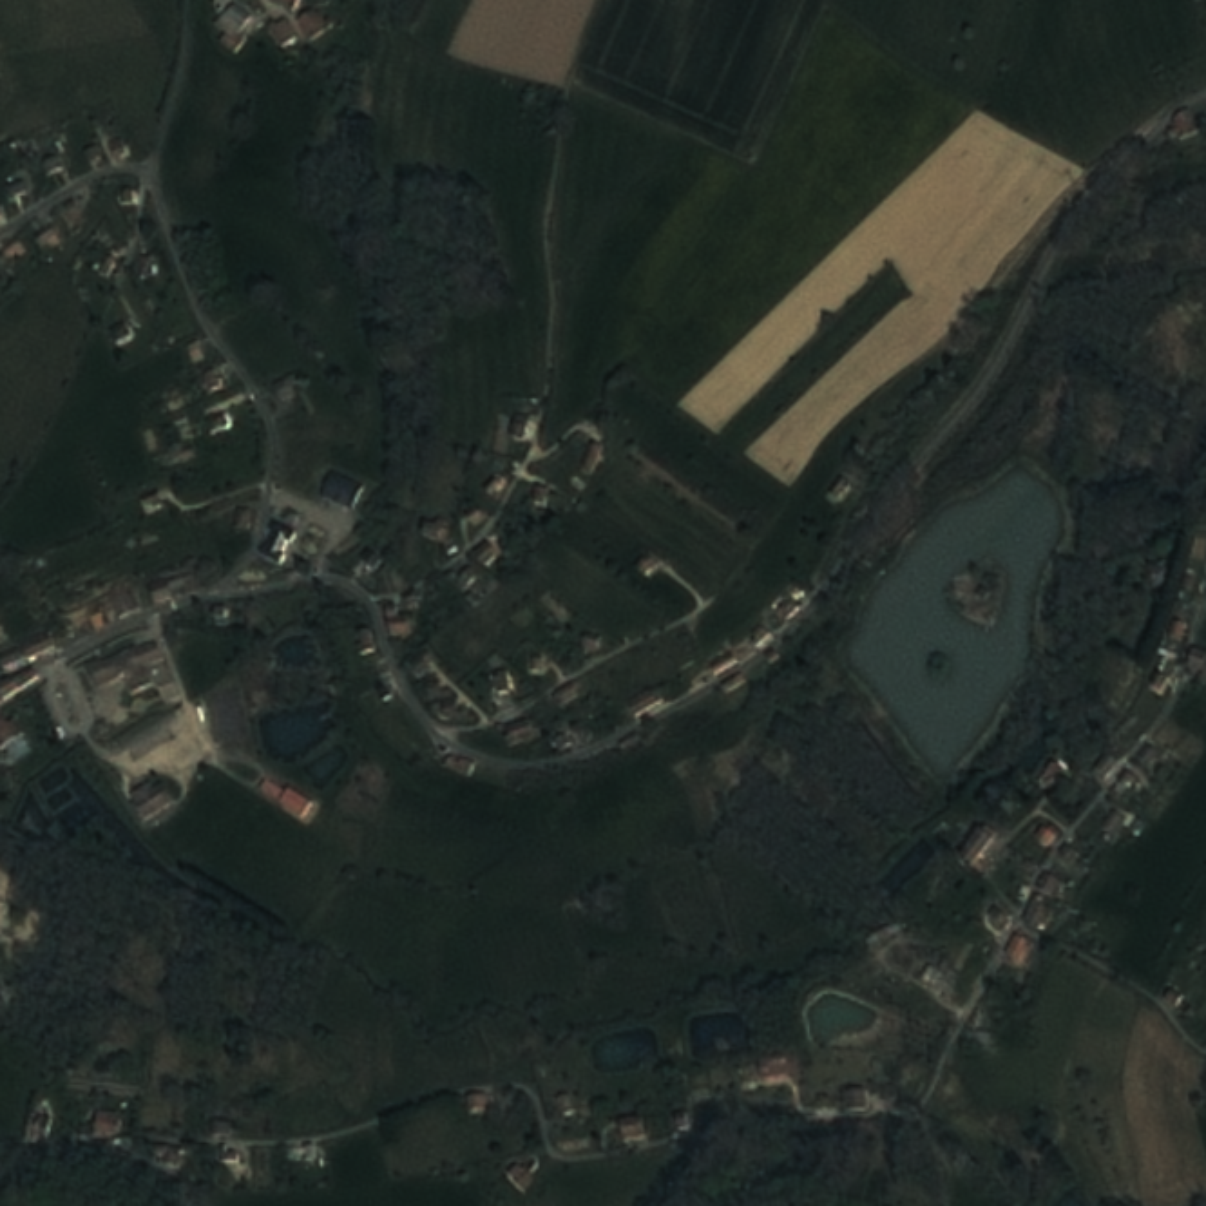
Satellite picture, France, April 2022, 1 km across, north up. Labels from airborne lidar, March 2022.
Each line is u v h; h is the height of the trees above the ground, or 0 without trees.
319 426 0
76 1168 22
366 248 25
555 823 0
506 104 0
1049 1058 0
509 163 0
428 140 0
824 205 0
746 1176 29
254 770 0
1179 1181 0
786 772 0
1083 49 0
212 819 0
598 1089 0
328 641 14
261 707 0
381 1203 0
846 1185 29
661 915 0
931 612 0
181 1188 16
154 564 0
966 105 0
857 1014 0
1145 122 0
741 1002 17
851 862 26
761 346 0
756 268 0
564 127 16
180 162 0
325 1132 0
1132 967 0
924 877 0
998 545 0
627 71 0
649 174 0
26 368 0
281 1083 0
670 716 0
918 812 17
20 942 0
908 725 0
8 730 0
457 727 0
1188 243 13
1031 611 0
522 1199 0
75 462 0
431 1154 0
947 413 9
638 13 0
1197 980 0
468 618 0
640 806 0
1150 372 0
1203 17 0
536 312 0
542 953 0
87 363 0
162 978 0
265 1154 0
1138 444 15
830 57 0
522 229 0
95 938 21
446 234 25
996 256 0
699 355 0
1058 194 0
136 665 0
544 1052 0
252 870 0
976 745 0
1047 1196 18
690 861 0
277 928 23
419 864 0
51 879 8
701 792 0
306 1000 19
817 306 0
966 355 24
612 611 0
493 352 0
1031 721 17
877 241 0
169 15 0
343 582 0
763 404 0
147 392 0
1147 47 0
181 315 0
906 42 0
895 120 0
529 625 0
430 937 0
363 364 0
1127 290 23
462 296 27
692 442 0
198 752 0
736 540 0
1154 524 19
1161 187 0
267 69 0
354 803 0
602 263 0
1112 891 0
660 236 0
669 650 0
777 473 0
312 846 0
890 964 0
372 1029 0
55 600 0
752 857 7
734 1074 0
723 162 0
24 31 0
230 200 0
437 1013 0
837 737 16
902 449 10
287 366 0
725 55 0
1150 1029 0
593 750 0
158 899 16
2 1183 8
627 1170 0
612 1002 0
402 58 0
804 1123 16
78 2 0
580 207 0
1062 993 0
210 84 0
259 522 0
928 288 0
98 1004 6
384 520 15
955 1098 0
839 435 0
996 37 0
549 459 0
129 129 0
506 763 0
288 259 0
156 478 0
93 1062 14
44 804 0
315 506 0
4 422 0
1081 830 0
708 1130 8
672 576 0
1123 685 0
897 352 0
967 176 0
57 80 0
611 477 0
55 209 0
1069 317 22
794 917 0
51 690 0
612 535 0
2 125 0
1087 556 18
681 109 0
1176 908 0
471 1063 0
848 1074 0
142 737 0
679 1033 0
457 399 0
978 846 0
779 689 15
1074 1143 0
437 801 0
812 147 0
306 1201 0
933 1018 0
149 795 0
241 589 0
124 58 0
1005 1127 0
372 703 0
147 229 14
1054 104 0
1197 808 0
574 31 0
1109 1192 0
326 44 0
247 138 12
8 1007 16
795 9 0
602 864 0
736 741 0
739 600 0
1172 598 16
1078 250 35
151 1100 0
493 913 0
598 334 0
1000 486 0
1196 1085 0
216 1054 0
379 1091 0
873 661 0
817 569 0
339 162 18
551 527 16
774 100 0
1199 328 0
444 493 0
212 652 0
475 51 0
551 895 0
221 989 15
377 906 0
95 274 8
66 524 0
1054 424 0
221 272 15
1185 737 0
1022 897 0
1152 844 0
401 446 20
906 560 0
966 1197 0
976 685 0
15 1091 0
